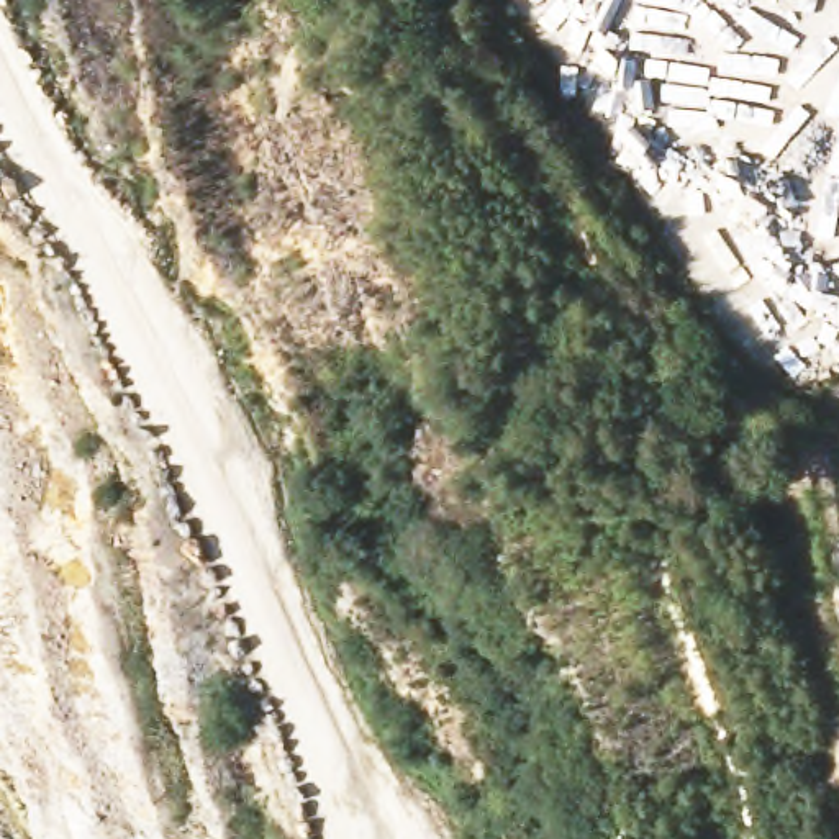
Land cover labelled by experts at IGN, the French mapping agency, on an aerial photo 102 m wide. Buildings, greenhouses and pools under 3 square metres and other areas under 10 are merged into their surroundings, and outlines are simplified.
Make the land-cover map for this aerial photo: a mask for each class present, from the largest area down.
<instances>
[{"label":"pervious surface","instance_id":"1","mask_svg":"<svg viewBox=\"0 0 839 839\"><path fill-rule=\"evenodd\" d=\"M265 16V26L256 36H246L229 56L233 69H239L246 79L236 92L220 95L213 88L216 82L203 72L197 79H184L177 66L167 59H147L144 16L138 0H46L39 23L20 26L13 33L3 13V0H0V839H223L226 819L239 810H249L252 803H259L265 816L275 819L292 839H452L442 806L413 777H403L390 767V760L374 741V728L354 705V695L338 685L341 669L334 665V649L324 639L321 619L311 610H305L302 590L282 551V541L292 537V528L285 521L288 475H305V469L318 462V442L302 410L292 403L295 397V380L285 374V364L279 361L285 351L302 354L315 347L374 344L377 351H383L387 331H403L410 318L420 315V295L406 292L400 275L383 259V246L374 243L377 203L364 180L361 144L351 138V128L341 125V111H334L321 95H315L298 79V56L288 49L292 20L288 13L262 0H252ZM144 619L151 629L157 695L164 701V714L177 731L193 787V810L187 823L170 819L161 770H141L138 724L128 701V682L118 672V646L128 639V629L141 626ZM220 672H229L233 698L246 724L256 728V737L246 747L203 754L197 692L200 682L216 678ZM541 39L564 49L560 92L587 95L593 102V115H600L613 134L616 164L633 174V180L649 193V203L662 216L682 220L688 272L701 285V292H724L728 305L737 315L751 318L757 334L777 347V361L793 380H819L826 393L839 397V0H528ZM393 420L400 426L397 439L400 446H413V478L423 492L433 495L436 488H446V482L459 478L465 469L462 459L452 452L456 442L449 436L429 433L423 426V413L410 403V393L400 387L393 397ZM773 420L767 413L747 420L724 413V426L718 433H698L685 446L695 462L692 485L711 488L714 495L721 498L724 515L741 528L744 541L757 547V560L767 570L780 574V593L773 600V610L787 626L796 665L803 669L810 695L819 708V741L803 773V780L819 800V839H839V482L832 485V478H803L793 482L777 465V442L770 433ZM662 613H669L672 619L675 646H682L685 655V672L695 685L701 711L708 714L718 708V701L705 675V662L698 655L695 633L688 629V619L678 606V587L672 583V574H662ZM338 613H344L351 626L361 633L370 623V613L354 603V583H341ZM524 623L534 636H541L547 652H554L560 649V636L547 626L541 606H531L524 613ZM380 655L393 692L426 708L429 728L442 751H449L452 757L469 754L472 747L462 737L465 711L452 701L449 688L439 685L436 672L420 669V655L397 662V642H387L380 646ZM593 741H596V754H600V760H616V751H623V731H616V734H613V737H610V734H606V731H596V734H593Z\"/></svg>","mask_w":839,"mask_h":839},{"label":"deciduous trees","instance_id":"2","mask_svg":"<svg viewBox=\"0 0 839 839\"><path fill-rule=\"evenodd\" d=\"M3 13L13 33L20 26L39 23L46 0H3ZM170 16L180 23L184 33L170 46L167 59L177 66L184 79H197L203 72L216 82L213 88L220 95L236 92L246 79L239 69H233L229 56L246 36H256L265 26V16L252 0H170ZM347 13L344 23L354 26L357 36L344 49L347 75L351 85H357V95L344 98L341 111V125L351 128V138L361 144L364 180L377 203L374 243L383 246V259L400 275L406 292L420 295V315L410 318L403 331H387L383 351H377L374 344L315 347L302 354L285 351L279 361L285 364V374L295 380V397L318 387V370L331 367L334 383H324V393L331 400L347 403V429L334 439V449H344L367 478L364 498L354 505L357 518L387 521L400 534L420 518L416 498L423 492L413 478V446H400L397 439L400 426L393 420V397L400 387L410 393V403L423 413V426L429 433L449 436L456 442L452 452L462 459L465 469L459 478L462 495L482 498V492L505 475L508 488H528L534 501L544 505L567 534H583V524H600L593 554H577L570 564L574 574L587 567L596 580L606 570L619 567L626 544L639 554L659 557L669 554V544L682 547L688 524L708 521V498L714 495L711 488L692 485L695 462L685 446L698 433H718L724 426V413L747 420L767 413L773 420L770 433L777 442V465L793 482L803 478V469L816 459L813 449L823 442V436L839 439V397L826 393L819 380H793L777 361V347L757 334L751 318L737 315L728 305L724 292H701V285L688 272L682 220L662 216L649 203V193L633 180V174L616 164L613 134L600 115H593V102L587 95L560 92L564 49L541 39L528 0H341Z\"/></svg>","mask_w":839,"mask_h":839},{"label":"brushwood","instance_id":"3","mask_svg":"<svg viewBox=\"0 0 839 839\"><path fill-rule=\"evenodd\" d=\"M318 387L295 397L292 403L302 410L318 442V462L305 469V475H288L285 521L292 528V537L282 541V551L302 590L305 610H311L321 619L324 639L334 649V665L341 669L338 685L354 695V705L374 728V741L390 760V767L403 777H413L442 806L452 839H819V800L803 780V773L819 741V708L810 695L803 669L796 665L787 626L773 610V600L780 593V574L767 570L757 560V547L744 541L741 528L724 515L721 498L714 495L708 498V521L688 524L682 547L669 544V554L659 557L639 554L626 544L619 567L629 577V590L642 593V610L629 616L636 623V646L649 649L652 662L646 682L626 685L629 698L606 718V734H610V737H613V734H616V731H623V751H616V760H600V754H596V741H593V724L580 711L574 685L560 675L554 652H547L541 636H534L524 623V613L531 606H541L547 600H570V590H564L567 580L587 587L596 580L587 567L574 574L570 564L577 554H593L600 524H583V534H567L544 505L534 501L528 488H508L505 475L482 492V498L462 495L459 478L446 482V488H436L433 495L423 492L416 498L420 518L400 534L387 521L357 518L354 505L364 498L367 478L344 449H334V439L347 429V403L331 400L324 393V383H334L331 367L318 370ZM662 574H672V583L678 587V606L688 619V629L695 633L698 655L705 662V675L718 701V708L708 714L701 711L695 685L685 672V655L682 646H675L672 619L669 613H662ZM341 583H354V603L370 613V623L361 633L351 626L344 613H338ZM387 642H397V662L420 655V669L436 672L439 685L449 688L452 701L465 711L462 737L472 747L469 754L452 757L449 751H442L429 728L426 708L393 692L380 655V646ZM816 459L803 469V478H832V485L839 482V439L823 436V442L813 449ZM203 754L246 747L256 737V728L246 724L233 698L229 672H220L216 678L200 682L197 692Z\"/></svg>","mask_w":839,"mask_h":839},{"label":"herbaceous vegetation","instance_id":"4","mask_svg":"<svg viewBox=\"0 0 839 839\"><path fill-rule=\"evenodd\" d=\"M144 16L147 59H167L170 46L184 33L180 23L170 16V0H138ZM288 13L292 20L288 49L298 56V79L315 95H321L334 111H341L344 98L357 95V85H351L347 75L344 49L357 36L354 26L344 23L347 13L341 0H262ZM564 590H570V600H547L541 606L547 626L560 636V649L554 652L560 675L574 685L580 711L593 724V734H596V731H606V718L629 698L626 685L646 682L652 662L649 649L636 646V623L629 616L642 610V593L629 590V577L619 567L606 570L596 580L587 587L567 580ZM118 672L128 682V701L138 724L141 770H161L170 819L187 823L193 810V787L177 731L164 714V701L157 695L151 629L144 619L141 626L128 629V639L118 646ZM223 839H292L275 819L265 816L259 803H252L249 810H239L226 819Z\"/></svg>","mask_w":839,"mask_h":839}]
</instances>
